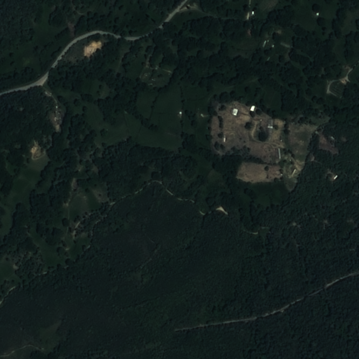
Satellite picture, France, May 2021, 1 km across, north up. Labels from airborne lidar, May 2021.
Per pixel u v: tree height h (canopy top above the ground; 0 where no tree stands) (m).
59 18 17
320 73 10
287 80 26
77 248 0
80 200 0
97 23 19
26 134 14
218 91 0
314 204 14
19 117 18
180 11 0
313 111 18
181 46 22
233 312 12
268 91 0
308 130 0
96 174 16
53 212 20
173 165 15
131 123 0
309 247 10
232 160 18
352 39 17
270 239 22
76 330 6
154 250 8
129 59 22
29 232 14
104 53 15
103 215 12
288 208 13
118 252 6
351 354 13
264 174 0
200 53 16
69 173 15
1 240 16
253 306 10
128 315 6
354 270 15
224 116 0
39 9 17
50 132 12
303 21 0
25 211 21
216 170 19
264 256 20
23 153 22
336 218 15
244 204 16
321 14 0
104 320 6
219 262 7
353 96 11
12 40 14
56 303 6
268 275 24
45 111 13
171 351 8
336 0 0
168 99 0
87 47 0
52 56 11
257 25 20
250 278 7
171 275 6
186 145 20
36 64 0
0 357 0
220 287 15
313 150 12
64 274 12
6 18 16
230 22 20
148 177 0
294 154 8
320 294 20
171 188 12
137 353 6
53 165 18
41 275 6
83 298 6
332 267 15
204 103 0
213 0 17
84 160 16
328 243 17
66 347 7
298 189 13
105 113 15
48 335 0
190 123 0
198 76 18
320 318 13
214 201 8
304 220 13
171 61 20
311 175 10
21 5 15
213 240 6
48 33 0
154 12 16
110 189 11
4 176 18
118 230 14
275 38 19
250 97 0
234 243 15
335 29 15
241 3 0
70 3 16
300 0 0
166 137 0
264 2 0
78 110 0
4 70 0
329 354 8
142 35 0
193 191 9
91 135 16
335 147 6
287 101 24
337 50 0
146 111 0
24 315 6
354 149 6
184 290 8
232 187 21
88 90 0
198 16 0
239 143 0
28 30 20
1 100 13
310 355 24
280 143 0
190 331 7
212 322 8
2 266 0
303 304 12
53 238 17
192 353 11
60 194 17
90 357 13
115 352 7
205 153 19
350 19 0
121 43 21
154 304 8
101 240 6
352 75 0
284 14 19
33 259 10
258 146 0
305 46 19
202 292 12
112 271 13
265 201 0
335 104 0
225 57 19
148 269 7
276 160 0
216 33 16
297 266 17
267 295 10
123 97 23
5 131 22
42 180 11
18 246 10
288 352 14
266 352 10
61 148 14
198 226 14
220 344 12
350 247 16
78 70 19
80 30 16
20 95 10
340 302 15
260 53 16
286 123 7
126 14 10
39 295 6
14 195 0
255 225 14
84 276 6
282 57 15
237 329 8
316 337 10
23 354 0
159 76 11
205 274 6
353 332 14
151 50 17
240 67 24
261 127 8
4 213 17
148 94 0
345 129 14
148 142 0
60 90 0
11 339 0
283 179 12
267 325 10
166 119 0
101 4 9
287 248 11
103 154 12
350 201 15
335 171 12
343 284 11
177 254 11
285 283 7
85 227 9
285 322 19
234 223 16
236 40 20
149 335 9
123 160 13
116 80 17
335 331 16
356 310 11
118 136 0
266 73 23
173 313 7
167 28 20
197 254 9
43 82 0
